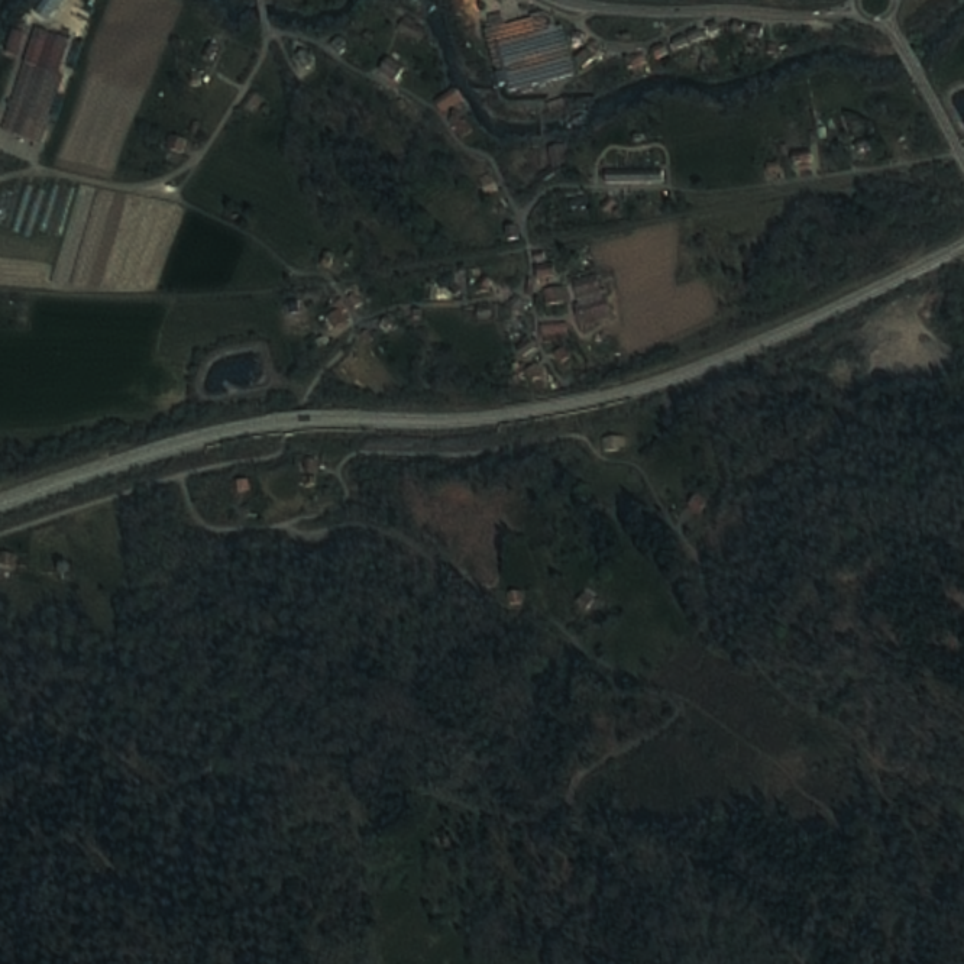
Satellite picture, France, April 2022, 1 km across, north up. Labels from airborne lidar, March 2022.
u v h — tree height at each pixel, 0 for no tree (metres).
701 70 6
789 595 23
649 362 10
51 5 0
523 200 10
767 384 25
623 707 8
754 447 20
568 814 19
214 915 34
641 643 0
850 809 0
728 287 0
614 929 19
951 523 6
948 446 23
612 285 0
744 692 0
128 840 30
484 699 22
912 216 24
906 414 23
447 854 11
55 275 0
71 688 7
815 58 23
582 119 0
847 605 9
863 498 21
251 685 19
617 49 0
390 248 0
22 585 0
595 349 0
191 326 0
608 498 0
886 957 23
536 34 0
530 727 23
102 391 0
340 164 14
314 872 15
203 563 23
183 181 0
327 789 19
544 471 27
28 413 0
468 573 0
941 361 0
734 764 0
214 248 0
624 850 28
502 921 36
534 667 26
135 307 0
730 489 18
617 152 0
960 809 28
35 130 0
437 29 0
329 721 25
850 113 8
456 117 0
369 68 0
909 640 15
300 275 0
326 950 12
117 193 0
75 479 0
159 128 10
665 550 35
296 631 7
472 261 0
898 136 0
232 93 0
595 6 0
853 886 25
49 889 18
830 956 10
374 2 18
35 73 0
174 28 0
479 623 30
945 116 0
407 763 32
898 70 12
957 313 24
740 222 0
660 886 13
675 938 27
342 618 16
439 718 22
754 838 26
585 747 26
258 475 7
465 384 21
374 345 0
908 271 0
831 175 0
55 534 0
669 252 0
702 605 27
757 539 19
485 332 0
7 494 0
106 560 0
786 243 21
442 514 0
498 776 23
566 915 20
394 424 0
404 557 18
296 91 11
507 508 0
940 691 0
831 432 7
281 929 17
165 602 14
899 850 26
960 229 10
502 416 0
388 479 10
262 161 0
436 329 0
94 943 13
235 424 0
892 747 28
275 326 0
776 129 0
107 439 8
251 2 12
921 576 7
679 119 0
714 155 0
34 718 22
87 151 0
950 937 23
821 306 0
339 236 0
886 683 18
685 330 0
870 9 0
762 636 22
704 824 26
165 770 27
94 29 0
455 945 0
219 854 14
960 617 13
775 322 0
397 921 0
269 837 22
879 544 6
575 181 21
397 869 13
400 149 0
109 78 0
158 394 0
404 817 29
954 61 0
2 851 29
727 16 0
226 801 26
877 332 0
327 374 9
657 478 0
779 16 0
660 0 14
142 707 20
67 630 21
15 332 0
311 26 14
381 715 32
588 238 0
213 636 17
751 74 14
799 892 21
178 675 22
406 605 23
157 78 0
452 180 20
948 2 15
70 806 8
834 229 23
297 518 0
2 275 0
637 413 7
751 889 22
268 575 20
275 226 0
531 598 0
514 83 0
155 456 0
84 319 0
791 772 0
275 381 0
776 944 12
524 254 0
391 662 19
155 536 17
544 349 0
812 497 18
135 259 0
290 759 16
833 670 26
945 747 31
